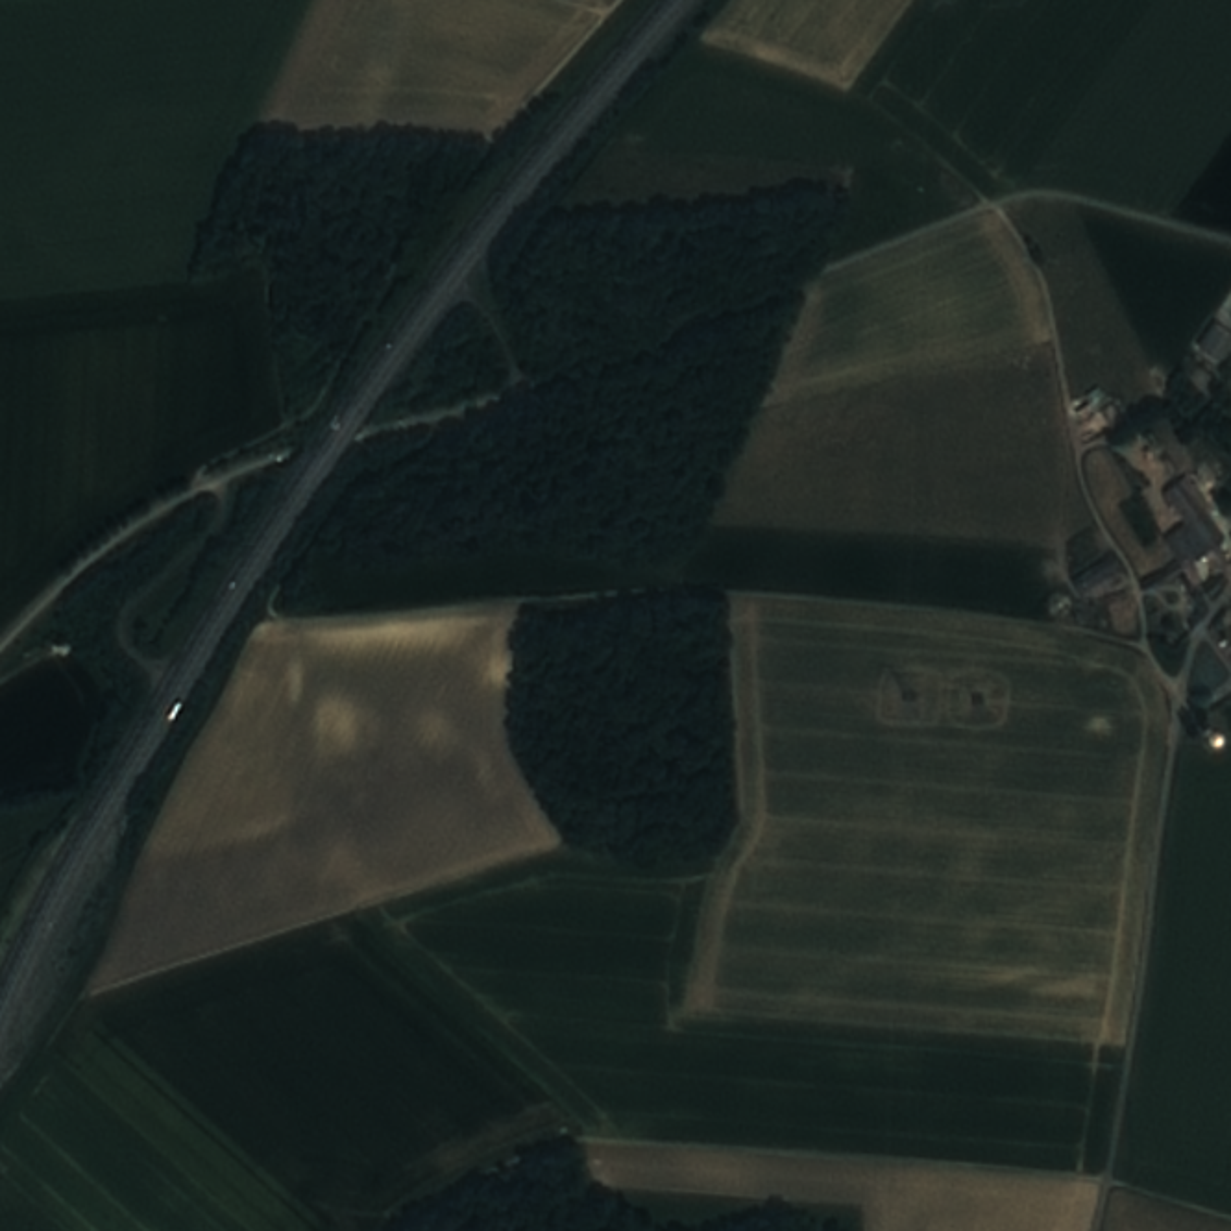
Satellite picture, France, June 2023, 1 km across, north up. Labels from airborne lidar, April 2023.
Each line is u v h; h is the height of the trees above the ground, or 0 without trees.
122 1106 0
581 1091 0
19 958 0
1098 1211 0
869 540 0
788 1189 0
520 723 12
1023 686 0
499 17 0
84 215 0
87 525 0
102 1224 0
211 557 8
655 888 0
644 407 24
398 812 0
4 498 0
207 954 0
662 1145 0
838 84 0
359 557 16
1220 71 0
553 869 0
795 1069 0
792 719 0
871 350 0
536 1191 25
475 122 0
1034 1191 0
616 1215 24
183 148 0
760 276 24
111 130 0
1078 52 0
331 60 0
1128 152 0
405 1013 0
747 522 0
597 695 20
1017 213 0
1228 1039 0
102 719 10
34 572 0
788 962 0
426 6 0
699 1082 0
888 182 0
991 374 0
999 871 0
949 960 0
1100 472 0
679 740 24
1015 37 0
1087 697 0
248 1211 0
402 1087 0
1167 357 0
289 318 16
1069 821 0
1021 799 0
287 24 0
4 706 0
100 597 13
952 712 0
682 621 26
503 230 0
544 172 0
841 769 0
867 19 0
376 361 0
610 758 23
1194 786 0
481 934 0
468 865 0
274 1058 0
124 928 0
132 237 0
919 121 0
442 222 0
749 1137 0
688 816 19
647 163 0
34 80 0
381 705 0
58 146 0
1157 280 0
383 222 20
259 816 0
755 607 0
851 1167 0
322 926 0
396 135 17
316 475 0
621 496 20
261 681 0
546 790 19
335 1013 0
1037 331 0
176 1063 0
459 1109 0
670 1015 0
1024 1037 0
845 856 0
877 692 0
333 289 21
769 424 0
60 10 0
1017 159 0
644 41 0
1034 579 0
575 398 18
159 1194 0
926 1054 0
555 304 21
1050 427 0
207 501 11
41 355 0
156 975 0
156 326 0
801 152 0
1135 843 0
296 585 14
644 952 0
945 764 0
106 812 0
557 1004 0
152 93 0
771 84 0
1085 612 0
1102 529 0
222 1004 0
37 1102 0
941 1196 0
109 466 0
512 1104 0
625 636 24
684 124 0
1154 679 0
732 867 0
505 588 0
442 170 16
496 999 0
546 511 24
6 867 0
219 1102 0
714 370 25
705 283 24
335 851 0
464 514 23
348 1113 0
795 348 0
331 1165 0
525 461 18
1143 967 0
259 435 0
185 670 0
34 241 0
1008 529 0
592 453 22
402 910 0
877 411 0
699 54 0
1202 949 0
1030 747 0
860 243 0
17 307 0
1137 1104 0
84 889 0
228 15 0
